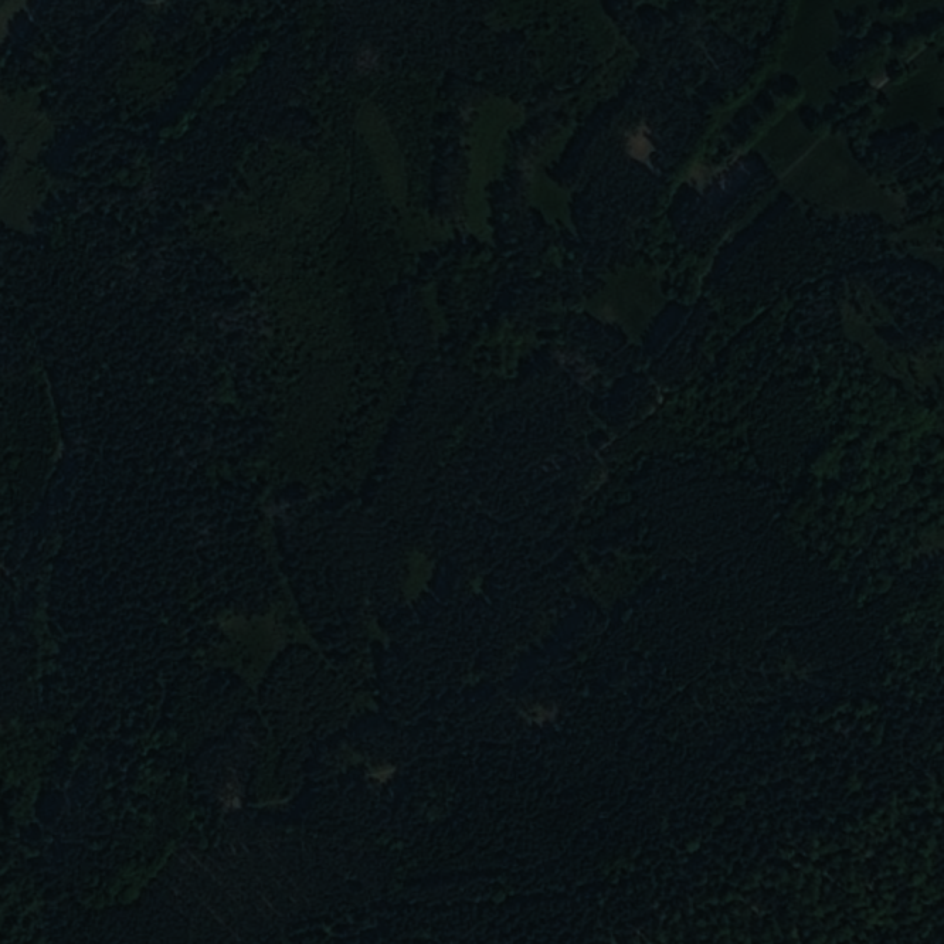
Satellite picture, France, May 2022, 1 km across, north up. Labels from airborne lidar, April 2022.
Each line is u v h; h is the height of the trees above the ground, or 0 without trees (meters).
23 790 17
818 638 17
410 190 6
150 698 26
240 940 24
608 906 29
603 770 26
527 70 29
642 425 7
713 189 0
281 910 25
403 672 32
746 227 0
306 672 14
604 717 27
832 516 16
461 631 34
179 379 28
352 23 20
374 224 8
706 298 23
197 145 30
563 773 24
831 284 14
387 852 26
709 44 28
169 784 25
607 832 26
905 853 32
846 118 19
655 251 26
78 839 39
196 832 29
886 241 11
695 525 24
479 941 36
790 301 15
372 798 30
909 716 31
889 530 24
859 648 19
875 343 0
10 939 13
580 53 10
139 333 28
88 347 27
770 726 10
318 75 22
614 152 29
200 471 30
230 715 13
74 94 34
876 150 25
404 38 19
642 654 16
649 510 24
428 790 28
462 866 15
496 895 27
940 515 21
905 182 23
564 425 33
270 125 26
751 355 13
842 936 31
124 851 32
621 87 6
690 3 30
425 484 27
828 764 32
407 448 24
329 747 26
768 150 0
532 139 32
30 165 9
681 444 8
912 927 33
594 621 32
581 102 6
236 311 26
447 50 18
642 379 25
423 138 8
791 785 32
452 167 33
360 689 11
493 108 0
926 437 23
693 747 14
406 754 32
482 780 31
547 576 27
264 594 33
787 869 33
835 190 0
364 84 7
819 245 17
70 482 29
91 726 24
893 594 25
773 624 19
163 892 23
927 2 0
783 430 10
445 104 9
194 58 6
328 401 6
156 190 29
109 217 16
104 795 32
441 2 19
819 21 0
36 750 13
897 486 20
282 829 25
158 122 12
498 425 34
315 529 31
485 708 33
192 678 24
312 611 32
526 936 26
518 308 40
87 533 32
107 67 33
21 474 14
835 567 11
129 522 38
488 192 0
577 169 35
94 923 25
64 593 35
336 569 32
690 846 21
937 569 24
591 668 19
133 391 33
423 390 26
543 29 11
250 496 30
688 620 21
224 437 21
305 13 24
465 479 31
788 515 19
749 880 29
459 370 27
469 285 16
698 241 30
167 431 31
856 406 19
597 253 35
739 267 18
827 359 22
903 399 25
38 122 0
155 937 28
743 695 13
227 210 0
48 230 23
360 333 9
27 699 33
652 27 35
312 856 25
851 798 29
